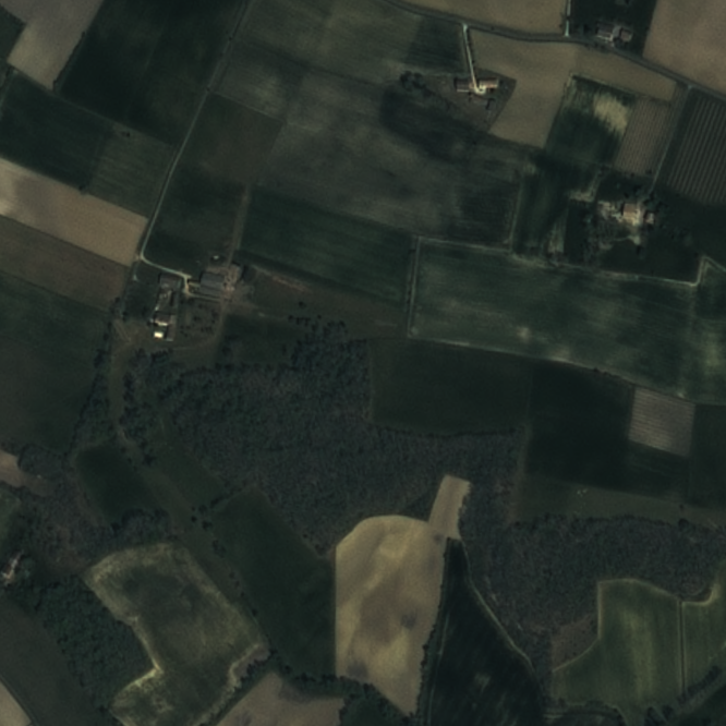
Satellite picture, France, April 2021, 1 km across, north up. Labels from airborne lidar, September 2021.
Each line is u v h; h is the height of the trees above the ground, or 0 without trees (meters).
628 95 0
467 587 0
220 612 0
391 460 19
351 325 0
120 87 0
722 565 20
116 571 0
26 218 0
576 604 14
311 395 20
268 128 0
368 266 0
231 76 0
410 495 17
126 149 0
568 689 0
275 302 0
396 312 0
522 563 14
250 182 0
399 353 0
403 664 0
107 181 0
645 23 0
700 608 0
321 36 0
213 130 0
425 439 12
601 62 0
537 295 0
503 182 0
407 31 0
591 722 0
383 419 0
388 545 0
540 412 0
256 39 0
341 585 0
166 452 0
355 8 0
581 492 0
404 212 0
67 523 13
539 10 0
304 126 0
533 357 0
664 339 0
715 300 0
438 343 0
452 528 0
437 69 0
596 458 0
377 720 0
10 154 0
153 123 0
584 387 0
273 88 0
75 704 0
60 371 0
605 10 0
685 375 0
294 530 15
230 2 0
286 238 0
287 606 0
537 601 14
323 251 0
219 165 0
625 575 18
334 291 0
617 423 0
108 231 0
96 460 0
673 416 0
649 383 0
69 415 0
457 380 0
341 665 0
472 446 18
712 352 0
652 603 0
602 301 0
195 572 0
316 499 17
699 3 0
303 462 20
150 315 13
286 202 0
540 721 0
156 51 0
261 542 0
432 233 0
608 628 0
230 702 10
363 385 17
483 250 0
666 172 0
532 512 0
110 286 0
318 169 0
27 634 0
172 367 11
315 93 0
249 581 0
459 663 0
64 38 0
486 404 0
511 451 15
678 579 18
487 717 0
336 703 0
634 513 0
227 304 0
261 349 0
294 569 0
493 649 0
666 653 0
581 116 0
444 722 0
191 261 0
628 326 0
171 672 0
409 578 0
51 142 0
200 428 16
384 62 0
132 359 0
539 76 0
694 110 0
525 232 0
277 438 21
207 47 0
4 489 10
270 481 19
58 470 8
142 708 0
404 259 0
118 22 0
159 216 0
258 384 18
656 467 0
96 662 13
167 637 0
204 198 0
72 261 0
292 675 18
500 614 6
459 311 0
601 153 0
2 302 0
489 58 0
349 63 0
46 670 0
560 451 0
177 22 0
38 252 0
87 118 0
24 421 0
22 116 0
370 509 17
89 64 0
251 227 0
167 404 23
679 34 0
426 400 0
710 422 0
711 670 0
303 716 0
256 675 21
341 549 0
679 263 0
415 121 0
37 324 0
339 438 18
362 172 0
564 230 0
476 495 16
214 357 0
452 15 0
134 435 23
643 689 0
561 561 16
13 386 0
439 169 0
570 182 0
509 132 0
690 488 0
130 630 14
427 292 0
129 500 0
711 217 0
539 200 0
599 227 21
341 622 0
